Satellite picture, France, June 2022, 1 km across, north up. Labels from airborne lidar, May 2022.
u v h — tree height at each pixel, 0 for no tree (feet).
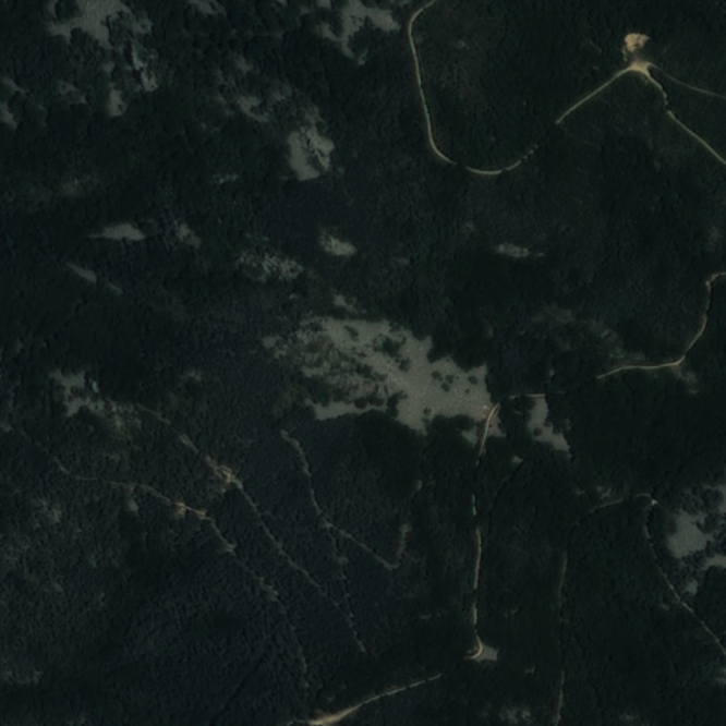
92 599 38
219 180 24
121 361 69
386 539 38
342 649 55
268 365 22
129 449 28
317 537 42
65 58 24
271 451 46
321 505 44
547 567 54
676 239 69
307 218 26
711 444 77
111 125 35
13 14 66
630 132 29
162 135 26
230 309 35
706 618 50
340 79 44
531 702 35
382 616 37
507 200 27
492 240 22
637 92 18
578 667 57
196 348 23
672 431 47
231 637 62
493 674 60
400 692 41
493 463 59
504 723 34
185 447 35
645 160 61
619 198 35
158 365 43
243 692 44
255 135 27
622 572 25
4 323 73
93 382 47
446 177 30
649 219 54
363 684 40
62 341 54
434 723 37
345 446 51
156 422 22
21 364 61
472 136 44
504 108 46
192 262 49
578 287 39
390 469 57
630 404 63
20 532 25
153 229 75
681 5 45
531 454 71
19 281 62
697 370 35
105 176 31
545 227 27
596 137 23
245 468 40
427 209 25
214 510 48
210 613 42
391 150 23
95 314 47
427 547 51
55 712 53
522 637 51
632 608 62
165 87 27
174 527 47
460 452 73
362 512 27
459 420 41
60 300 69
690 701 71
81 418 30
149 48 33
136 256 63
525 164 27
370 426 46
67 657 50
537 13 46
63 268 47
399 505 52
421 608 35
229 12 25
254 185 44
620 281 54
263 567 41
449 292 43
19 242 80
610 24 54
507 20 32
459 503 45
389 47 18
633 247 44
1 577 41
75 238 59
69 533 29
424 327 61
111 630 72
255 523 52
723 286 74
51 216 75
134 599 56
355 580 51
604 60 48
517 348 56
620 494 45
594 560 74
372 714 32
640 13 51
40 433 40
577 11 43
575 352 29
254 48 61
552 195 24
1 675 49
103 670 54
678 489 62
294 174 29
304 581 53
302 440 43
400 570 45
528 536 43
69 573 48
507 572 54
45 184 36
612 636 67
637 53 0
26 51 51
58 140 66
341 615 55
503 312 43
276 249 29
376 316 25
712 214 38
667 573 35
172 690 56
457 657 50
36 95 27
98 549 47
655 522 74
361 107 34
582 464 79
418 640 47
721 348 49
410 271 42
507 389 54
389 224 46
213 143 33
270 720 60
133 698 42
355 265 26
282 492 52
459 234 43
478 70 0
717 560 0
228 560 47
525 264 54
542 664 53
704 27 53
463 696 34
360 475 35
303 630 58
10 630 41
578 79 46
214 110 25
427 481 49
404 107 27
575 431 52
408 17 25
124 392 45
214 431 37
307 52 58
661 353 40
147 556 51
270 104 24
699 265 90
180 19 57
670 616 30
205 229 18
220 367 30
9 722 43
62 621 55
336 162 24
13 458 38
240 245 22
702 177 22
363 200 25
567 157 54
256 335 29
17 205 52
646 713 60
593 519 93
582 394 68
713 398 60
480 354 31
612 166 51
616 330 30
